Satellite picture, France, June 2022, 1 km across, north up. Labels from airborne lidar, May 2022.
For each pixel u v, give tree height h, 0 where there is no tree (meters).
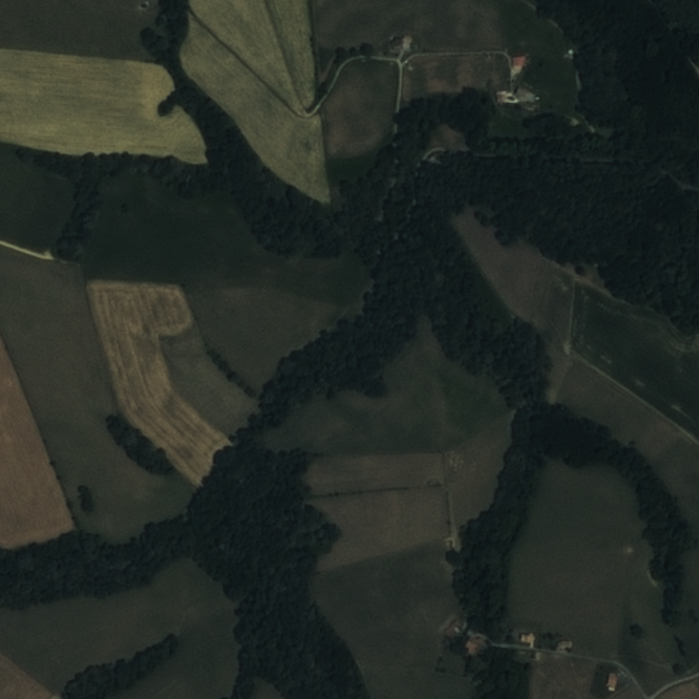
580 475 0
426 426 0
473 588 12
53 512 0
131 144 0
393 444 0
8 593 17
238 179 26
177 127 0
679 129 17
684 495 0
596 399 0
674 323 13
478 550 21
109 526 0
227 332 0
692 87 14
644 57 24
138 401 0
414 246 19
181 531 20
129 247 0
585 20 16
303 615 20
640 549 0
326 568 0
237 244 0
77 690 15
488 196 15
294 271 0
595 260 20
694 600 0
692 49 28
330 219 11
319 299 0
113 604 0
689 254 25
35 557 24
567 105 0
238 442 16
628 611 0
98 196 19
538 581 0
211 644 0
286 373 18
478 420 0
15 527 0
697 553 0
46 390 0
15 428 0
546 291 0
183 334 0
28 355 0
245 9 0
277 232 16
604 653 0
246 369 0
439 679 0
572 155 11
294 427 0
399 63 0
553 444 31
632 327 0
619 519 0
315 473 0
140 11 0
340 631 0
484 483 0
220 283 0
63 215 0
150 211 0
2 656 0
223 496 20
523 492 26
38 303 0
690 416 0
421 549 0
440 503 0
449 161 11
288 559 17
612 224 15
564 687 0
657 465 0
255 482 22
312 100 0
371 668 0
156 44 20
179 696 0
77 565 17
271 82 0
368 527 0
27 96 0
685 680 0
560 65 0
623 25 16
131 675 20
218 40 0
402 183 15
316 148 0
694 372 0
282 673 18
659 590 0
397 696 0
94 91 0
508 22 0
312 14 0
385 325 21
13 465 0
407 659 0
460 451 0
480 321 29
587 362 0
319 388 20
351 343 19
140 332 0
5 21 0
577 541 0
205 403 0
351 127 0
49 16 0
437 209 22
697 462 0
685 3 23
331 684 17
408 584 0
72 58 0
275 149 0
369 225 22
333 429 0
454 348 18
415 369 0
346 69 0
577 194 11
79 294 0
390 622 0
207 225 0
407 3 0
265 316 0
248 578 20
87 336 0
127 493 0
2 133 0
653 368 0
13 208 0
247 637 25
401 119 21
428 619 0
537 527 0
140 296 0
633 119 27
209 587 0
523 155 15
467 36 0
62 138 0
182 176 16
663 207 27
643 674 0
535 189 22
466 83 0
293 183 0
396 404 0
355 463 0
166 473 6
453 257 22
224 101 0
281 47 0
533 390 23
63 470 0
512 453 16
